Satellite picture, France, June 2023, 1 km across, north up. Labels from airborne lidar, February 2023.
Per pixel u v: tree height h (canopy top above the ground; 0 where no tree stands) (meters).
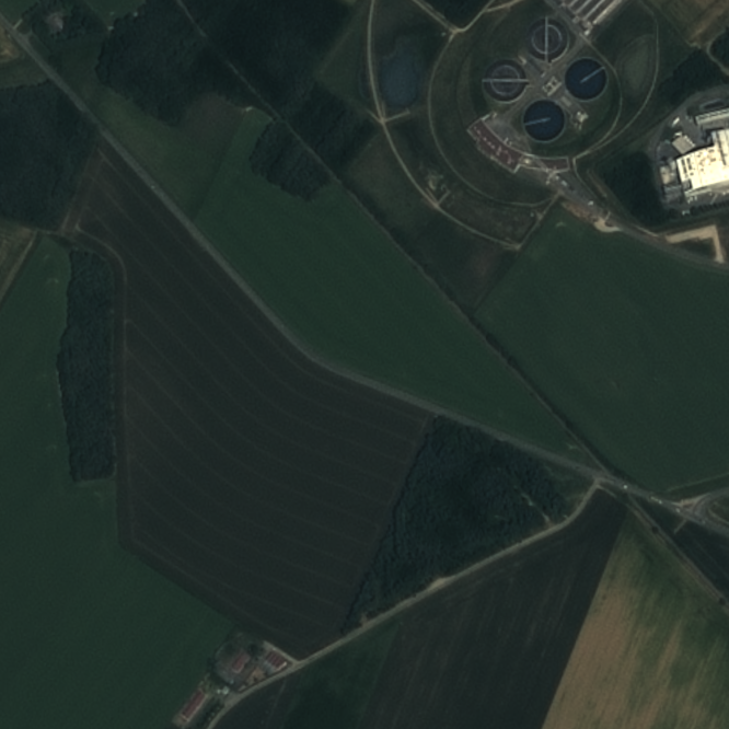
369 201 7
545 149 0
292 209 0
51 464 0
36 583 0
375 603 18
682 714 0
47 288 0
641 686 0
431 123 0
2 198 17
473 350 0
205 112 0
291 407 0
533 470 18
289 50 15
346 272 0
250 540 0
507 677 0
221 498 0
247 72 10
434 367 0
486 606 0
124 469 0
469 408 0
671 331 0
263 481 0
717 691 0
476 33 0
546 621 0
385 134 0
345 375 0
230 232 0
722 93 0
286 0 6
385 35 0
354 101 0
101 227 0
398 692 0
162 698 0
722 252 0
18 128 19
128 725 0
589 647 0
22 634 0
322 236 0
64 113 16
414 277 0
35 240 0
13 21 0
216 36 7
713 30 0
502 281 0
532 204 0
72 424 13
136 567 0
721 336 0
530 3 0
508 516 18
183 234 0
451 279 0
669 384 0
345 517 0
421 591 12
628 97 0
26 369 0
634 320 0
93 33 19
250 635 0
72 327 13
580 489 0
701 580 0
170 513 0
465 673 0
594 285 0
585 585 0
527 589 0
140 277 0
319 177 18
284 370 0
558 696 0
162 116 11
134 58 21
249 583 0
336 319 0
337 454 0
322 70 0
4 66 0
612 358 0
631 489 0
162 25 20
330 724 0
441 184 0
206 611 0
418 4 0
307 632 0
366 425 0
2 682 0
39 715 0
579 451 0
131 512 0
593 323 0
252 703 0
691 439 0
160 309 0
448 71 0
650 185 15
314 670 0
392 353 0
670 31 0
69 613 0
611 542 0
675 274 0
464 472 21
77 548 0
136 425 0
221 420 0
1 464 0
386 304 0
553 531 0
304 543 0
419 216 0
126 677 0
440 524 20
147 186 0
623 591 0
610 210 0
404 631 0
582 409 0
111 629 0
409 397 0
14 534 0
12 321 0
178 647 0
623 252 0
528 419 0
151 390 0
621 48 0
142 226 0
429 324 0
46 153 20
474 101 0
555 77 0
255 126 0
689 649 0
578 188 0
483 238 0
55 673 0
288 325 0
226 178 0
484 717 0
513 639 0
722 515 0
